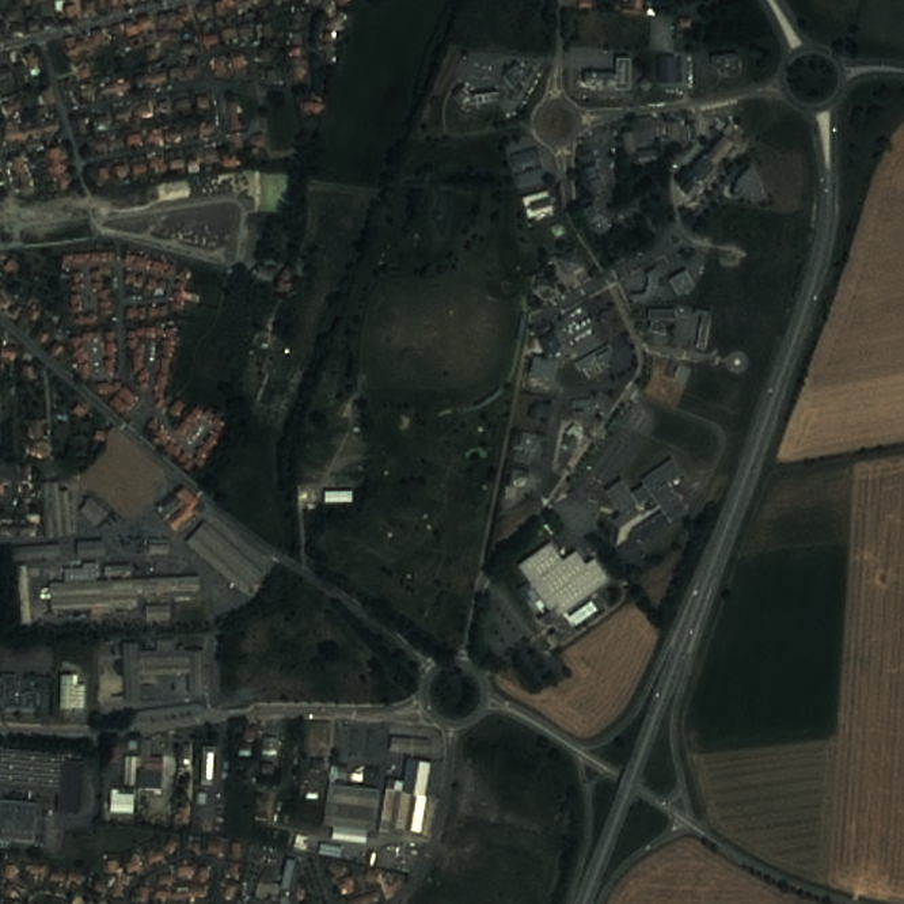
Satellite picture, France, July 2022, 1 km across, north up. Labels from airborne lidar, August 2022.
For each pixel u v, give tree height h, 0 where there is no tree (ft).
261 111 31
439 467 0
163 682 0
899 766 0
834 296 0
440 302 0
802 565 0
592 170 0
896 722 0
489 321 0
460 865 0
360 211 0
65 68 0
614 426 20
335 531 0
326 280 0
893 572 0
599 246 39
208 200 0
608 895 0
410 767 0
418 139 0
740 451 0
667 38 0
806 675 0
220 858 0
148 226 0
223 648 27
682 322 0
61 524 0
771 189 0
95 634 43
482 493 0
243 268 35
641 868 0
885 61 0
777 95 0
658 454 0
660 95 0
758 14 49
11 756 0
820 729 0
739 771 0
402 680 46
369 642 53
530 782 0
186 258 0
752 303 0
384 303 0
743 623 0
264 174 0
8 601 47
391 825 0
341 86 0
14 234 0
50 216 0
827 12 0
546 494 0
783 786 0
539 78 0
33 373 26
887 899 0
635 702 0
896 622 0
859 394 0
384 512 0
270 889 0
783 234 0
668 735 0
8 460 40
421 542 0
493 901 0
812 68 40
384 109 0
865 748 0
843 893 0
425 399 0
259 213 0
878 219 0
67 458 18
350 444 0
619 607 0
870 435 0
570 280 0
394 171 35
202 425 0
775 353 0
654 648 0
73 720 0
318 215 0
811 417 0
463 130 0
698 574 0
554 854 0
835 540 0
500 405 0
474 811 0
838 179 0
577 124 0
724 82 0
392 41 0
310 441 0
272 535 0
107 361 0
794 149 0
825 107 0
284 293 37
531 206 0
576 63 0
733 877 0
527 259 0
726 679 0
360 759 0
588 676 0
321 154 34
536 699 0
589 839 0
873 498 0
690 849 0
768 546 0
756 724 0
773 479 0
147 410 0
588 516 0
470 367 0
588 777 0
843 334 0
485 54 0
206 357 0
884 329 0
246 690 0
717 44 47
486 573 52
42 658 0
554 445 0
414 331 0
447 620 0
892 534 0
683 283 0
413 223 22
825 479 0
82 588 0
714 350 0
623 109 0
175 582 0
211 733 21
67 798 0
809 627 0
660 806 0
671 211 19
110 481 0
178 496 0
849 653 0
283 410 0
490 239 0
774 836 0
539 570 0
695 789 0
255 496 0
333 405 0
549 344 0
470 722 0
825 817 0
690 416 0
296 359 0
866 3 0
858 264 0
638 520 0
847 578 0
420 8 0
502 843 0
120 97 0
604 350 0
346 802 0
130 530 0
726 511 0
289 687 0
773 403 0
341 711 0
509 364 0
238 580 0
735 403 0
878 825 0
